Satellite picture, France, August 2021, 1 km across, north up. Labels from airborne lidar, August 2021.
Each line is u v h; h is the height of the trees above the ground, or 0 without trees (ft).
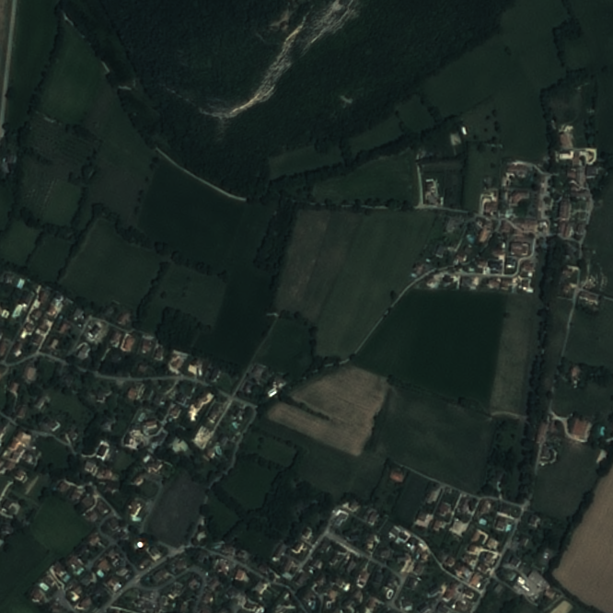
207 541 33
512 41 0
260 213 0
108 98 0
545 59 0
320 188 0
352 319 0
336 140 59
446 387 0
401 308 0
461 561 22
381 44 49
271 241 30
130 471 42
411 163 0
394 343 0
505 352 0
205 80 20
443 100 0
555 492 0
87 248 0
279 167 0
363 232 0
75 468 46
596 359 0
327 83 51
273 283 34
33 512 28
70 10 76
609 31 0
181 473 0
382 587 22
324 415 28
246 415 34
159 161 47
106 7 46
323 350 0
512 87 0
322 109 44
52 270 0
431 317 0
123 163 0
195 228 0
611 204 0
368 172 0
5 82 0
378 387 0
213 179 39
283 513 58
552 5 0
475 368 0
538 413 60
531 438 50
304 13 34
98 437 40
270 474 0
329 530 0
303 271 0
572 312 0
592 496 45
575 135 0
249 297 0
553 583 40
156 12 36
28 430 29
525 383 0
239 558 21
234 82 29
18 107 0
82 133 44
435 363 0
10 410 58
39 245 36
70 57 0
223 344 0
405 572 0
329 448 0
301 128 35
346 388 0
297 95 39
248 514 39
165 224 0
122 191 0
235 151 51
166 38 23
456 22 44
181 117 37
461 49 36
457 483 0
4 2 0
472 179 0
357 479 0
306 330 0
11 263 33
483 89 0
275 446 0
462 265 24
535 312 0
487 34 62
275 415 0
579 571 0
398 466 23
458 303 0
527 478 56
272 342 0
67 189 0
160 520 0
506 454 27
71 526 0
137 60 55
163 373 18
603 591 0
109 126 0
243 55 22
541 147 0
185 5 36
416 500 0
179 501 0
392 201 45
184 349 43
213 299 0
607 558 0
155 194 0
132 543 30
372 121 57
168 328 36
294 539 42
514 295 0
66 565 32
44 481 0
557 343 0
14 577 0
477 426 0
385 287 0
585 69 32
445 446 0
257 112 34
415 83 55
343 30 31
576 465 0
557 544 31
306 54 41
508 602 29
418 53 38
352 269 0
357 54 42
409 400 0
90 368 19
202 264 36
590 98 0
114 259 0
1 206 0
